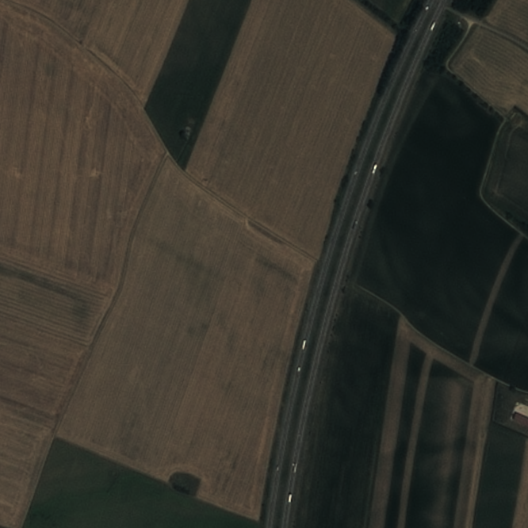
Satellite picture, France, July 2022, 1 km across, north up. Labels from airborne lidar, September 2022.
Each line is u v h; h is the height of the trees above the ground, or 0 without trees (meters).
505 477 0
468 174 0
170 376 0
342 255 0
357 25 0
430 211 0
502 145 0
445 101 0
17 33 0
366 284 0
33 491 0
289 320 0
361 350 0
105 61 0
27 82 0
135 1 0
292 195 0
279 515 0
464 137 0
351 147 0
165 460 0
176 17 0
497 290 0
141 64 0
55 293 0
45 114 0
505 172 0
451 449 0
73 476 0
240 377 0
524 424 6
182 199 0
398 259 0
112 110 0
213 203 0
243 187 0
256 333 0
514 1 0
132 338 0
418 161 0
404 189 0
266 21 0
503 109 0
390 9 0
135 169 0
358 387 0
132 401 0
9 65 0
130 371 0
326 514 0
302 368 0
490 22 0
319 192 0
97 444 0
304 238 0
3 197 0
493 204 0
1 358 0
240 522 0
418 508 0
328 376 0
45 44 0
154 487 0
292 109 0
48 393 0
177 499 0
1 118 0
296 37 0
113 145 0
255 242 0
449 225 0
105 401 0
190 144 0
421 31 0
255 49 0
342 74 0
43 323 0
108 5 0
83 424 0
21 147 0
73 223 0
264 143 0
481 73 0
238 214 0
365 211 0
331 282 0
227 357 0
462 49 0
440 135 0
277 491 0
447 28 5
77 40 0
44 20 0
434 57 8
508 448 0
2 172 0
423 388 0
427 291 0
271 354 0
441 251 0
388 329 0
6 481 0
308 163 0
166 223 0
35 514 0
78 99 0
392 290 0
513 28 0
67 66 0
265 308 0
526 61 0
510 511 0
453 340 0
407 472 0
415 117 0
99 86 0
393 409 0
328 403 0
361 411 0
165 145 0
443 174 0
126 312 0
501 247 0
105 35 0
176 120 0
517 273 0
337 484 0
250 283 0
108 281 0
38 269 0
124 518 0
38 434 0
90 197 0
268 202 0
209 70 0
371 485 0
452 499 0
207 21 0
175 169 0
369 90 0
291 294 0
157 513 0
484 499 0
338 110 0
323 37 0
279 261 0
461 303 0
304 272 0
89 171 0
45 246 0
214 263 0
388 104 0
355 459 0
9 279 0
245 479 0
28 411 0
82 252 0
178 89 0
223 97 0
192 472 0
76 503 0
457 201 0
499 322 0
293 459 0
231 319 0
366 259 0
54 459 0
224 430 0
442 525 0
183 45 0
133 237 0
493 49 0
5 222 0
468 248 0
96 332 0
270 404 0
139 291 0
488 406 0
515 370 0
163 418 0
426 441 0
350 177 0
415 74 0
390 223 0
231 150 0
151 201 0
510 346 0
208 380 0
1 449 0
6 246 0
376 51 0
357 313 0
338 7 0
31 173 0
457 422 0
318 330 0
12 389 0
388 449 0
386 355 0
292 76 0
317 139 0
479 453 0
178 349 0
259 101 0
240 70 0
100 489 0
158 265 0
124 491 0
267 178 0
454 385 0
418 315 0
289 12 0
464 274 0
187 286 0
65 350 0
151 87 0
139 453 0
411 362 0
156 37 0
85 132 0
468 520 0
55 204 0
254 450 0
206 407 0
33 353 0
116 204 0
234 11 0
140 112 0
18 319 0
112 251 0
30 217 0
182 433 0
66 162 0
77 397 0
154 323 0
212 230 0
